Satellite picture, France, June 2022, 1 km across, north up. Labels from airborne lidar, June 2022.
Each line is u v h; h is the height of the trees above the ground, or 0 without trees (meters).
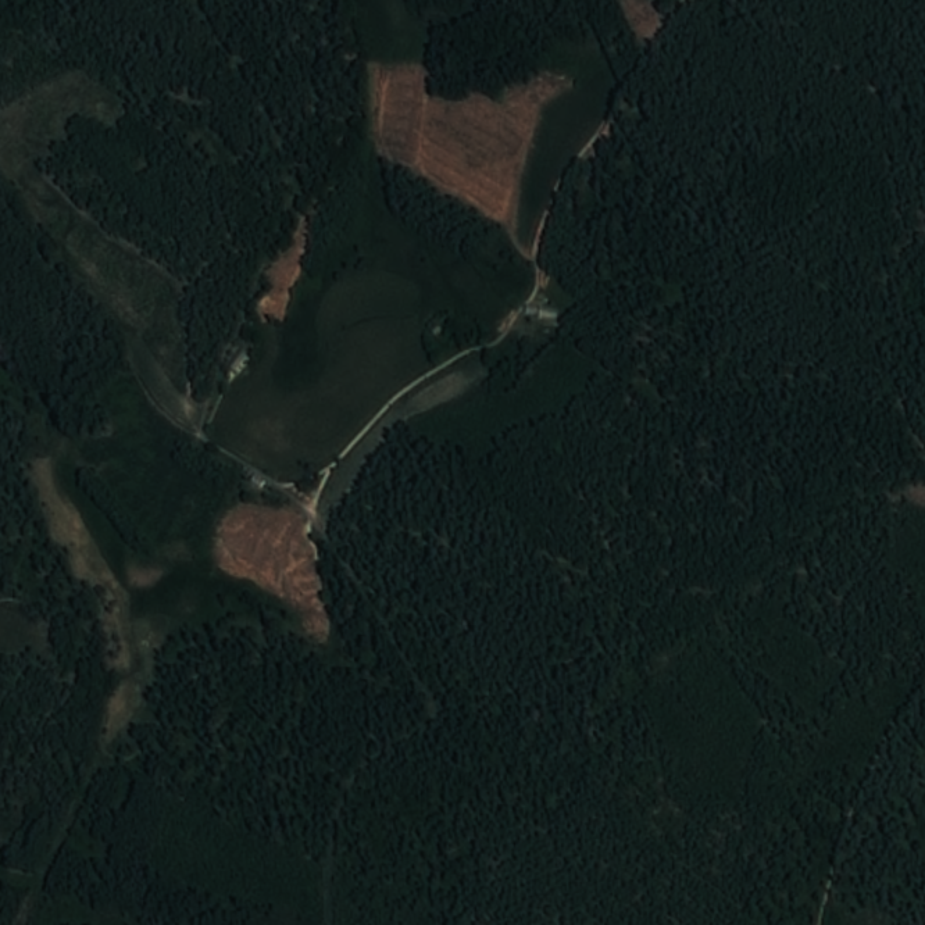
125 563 0
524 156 0
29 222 24
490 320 0
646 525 15
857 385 21
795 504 18
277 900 7
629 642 17
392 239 0
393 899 6
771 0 23
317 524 0
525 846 17
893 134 27
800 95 22
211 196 15
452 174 0
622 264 11
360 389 0
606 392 19
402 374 0
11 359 25
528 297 0
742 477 18
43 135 0
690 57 23
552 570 19
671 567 16
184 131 20
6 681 16
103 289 0
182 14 27
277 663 13
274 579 0
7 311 26
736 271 22
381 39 0
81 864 17
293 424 0
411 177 20
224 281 17
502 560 17
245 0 25
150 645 0
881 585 17
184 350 0
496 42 14
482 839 19
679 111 24
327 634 0
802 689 6
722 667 6
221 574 0
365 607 21
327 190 19
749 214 17
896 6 27
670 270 17
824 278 18
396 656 12
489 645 27
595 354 23
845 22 23
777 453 8
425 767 18
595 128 0
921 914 14
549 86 0
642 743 14
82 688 18
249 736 23
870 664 17
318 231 19
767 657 8
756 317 22
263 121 21
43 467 0
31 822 12
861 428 16
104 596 12
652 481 15
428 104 0
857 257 17
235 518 0
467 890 11
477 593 27
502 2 27
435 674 10
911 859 25
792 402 25
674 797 9
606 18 14
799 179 15
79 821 12
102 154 17
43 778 14
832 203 15
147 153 11
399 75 0
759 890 14
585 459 18
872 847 23
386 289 0
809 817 12
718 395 12
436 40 14
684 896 17
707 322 11
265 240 18
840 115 23
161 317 0
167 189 17
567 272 19
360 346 0
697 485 7
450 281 0
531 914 12
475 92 27
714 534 11
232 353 10
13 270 24
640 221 21
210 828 7
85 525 0
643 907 17
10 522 23
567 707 24
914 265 13
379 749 22
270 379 0
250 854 6
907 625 15
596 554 6
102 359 33
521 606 22
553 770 10
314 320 0
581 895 15
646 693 7
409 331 0
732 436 16
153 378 0
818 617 16
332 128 31
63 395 20
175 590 0
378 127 0
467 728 17
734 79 23
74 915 0
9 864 26
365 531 16
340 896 6
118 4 26
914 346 22
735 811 12
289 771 16
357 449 0
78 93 0
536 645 21
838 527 10
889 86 28
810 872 22
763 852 12
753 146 23
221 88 22
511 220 0
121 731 0
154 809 17
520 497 18
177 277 13
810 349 22
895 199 17
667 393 22
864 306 19
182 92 22
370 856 20
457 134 0
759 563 17
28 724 18
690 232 9
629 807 10
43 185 0
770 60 23
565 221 21
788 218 16
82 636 23
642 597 16
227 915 20
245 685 11
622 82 15
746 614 14
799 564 11
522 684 17
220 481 18
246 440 0
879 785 23
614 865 15
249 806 14
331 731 17
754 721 6
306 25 21
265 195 25
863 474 17
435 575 21
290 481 0
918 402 20
